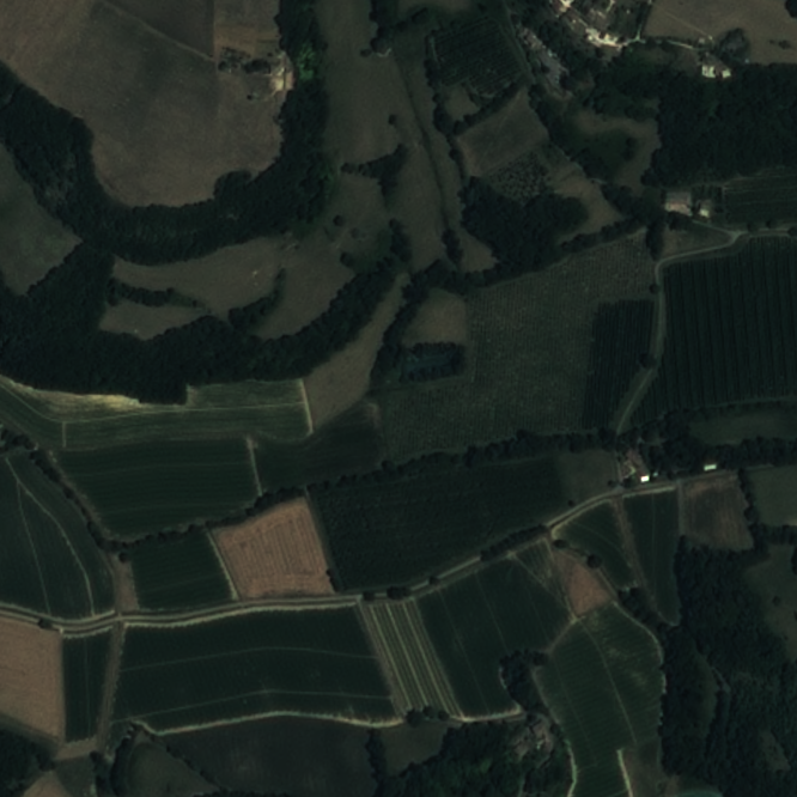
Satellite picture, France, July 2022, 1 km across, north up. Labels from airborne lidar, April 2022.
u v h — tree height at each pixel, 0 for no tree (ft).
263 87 0
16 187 0
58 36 0
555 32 29
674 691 64
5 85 57
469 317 0
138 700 0
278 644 0
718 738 54
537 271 46
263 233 70
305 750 0
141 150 0
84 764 0
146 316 0
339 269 0
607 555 0
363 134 0
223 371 73
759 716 27
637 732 0
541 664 56
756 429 0
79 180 30
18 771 67
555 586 0
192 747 0
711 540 0
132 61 0
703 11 0
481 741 43
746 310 18
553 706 0
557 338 0
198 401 0
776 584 0
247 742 0
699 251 0
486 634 0
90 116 0
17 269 0
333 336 68
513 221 84
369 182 0
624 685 0
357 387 0
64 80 0
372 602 38
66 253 0
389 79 0
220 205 35
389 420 0
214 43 0
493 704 0
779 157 54
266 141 0
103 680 0
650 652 0
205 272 0
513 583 0
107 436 0
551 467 19
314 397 0
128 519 0
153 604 0
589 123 0
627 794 0
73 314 49
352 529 21
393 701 0
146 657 0
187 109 0
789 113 39
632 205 69
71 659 0
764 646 68
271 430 0
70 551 0
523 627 0
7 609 0
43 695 0
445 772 93
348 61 0
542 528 38
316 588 0
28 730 0
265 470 0
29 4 0
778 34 0
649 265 0
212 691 0
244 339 48
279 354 56
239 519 25
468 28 26
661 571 0
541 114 52
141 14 0
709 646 80
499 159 0
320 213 52
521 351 0
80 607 0
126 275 0
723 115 71
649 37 21
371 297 90
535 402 0
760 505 0
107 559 0
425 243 0
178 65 0
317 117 66
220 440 0
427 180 0
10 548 0
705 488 0
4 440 24
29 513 0
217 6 0
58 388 54
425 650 0
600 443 20
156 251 33
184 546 0
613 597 0
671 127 70
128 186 0
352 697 0
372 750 54
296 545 0
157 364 57
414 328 0
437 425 0
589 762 0
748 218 23
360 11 0
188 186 0
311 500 0
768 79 42
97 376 56
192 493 0
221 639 0
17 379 49
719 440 0
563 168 0
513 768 49
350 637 0
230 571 0
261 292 0
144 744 0
